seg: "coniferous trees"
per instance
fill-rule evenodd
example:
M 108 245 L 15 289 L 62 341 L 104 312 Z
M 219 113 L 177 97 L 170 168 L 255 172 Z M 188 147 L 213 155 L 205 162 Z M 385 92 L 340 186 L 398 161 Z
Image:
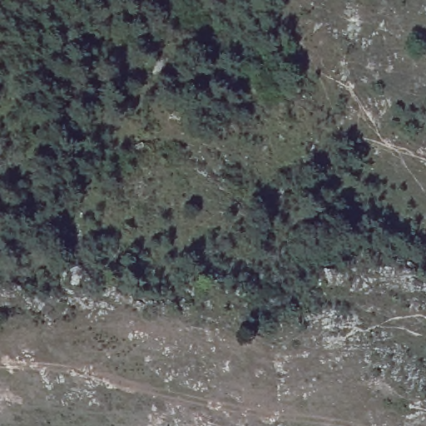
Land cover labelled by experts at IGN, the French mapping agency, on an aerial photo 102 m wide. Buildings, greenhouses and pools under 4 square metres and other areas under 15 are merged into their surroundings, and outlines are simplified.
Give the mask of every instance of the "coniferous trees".
M 8 290 L 13 285 L 22 286 L 25 295 L 42 300 L 47 293 L 50 293 L 50 296 L 58 296 L 67 293 L 67 291 L 63 290 L 62 285 L 50 283 L 60 280 L 63 271 L 73 266 L 80 268 L 78 275 L 83 273 L 95 285 L 105 285 L 106 288 L 115 286 L 116 293 L 133 296 L 135 290 L 150 293 L 170 291 L 173 303 L 180 305 L 181 293 L 190 293 L 191 296 L 203 295 L 211 288 L 211 278 L 215 280 L 233 276 L 231 290 L 235 290 L 236 296 L 243 298 L 251 308 L 251 315 L 241 323 L 236 338 L 238 343 L 250 343 L 255 336 L 263 338 L 265 334 L 278 333 L 278 324 L 290 324 L 293 319 L 298 319 L 301 326 L 308 328 L 306 315 L 319 315 L 323 310 L 331 310 L 331 300 L 323 298 L 323 288 L 318 286 L 319 276 L 331 266 L 338 266 L 341 261 L 353 261 L 361 251 L 368 251 L 374 265 L 379 268 L 393 266 L 394 270 L 409 270 L 413 273 L 423 270 L 426 273 L 426 233 L 423 231 L 421 215 L 399 220 L 393 206 L 376 206 L 374 198 L 369 198 L 369 210 L 363 210 L 361 201 L 356 201 L 356 190 L 346 188 L 341 183 L 341 178 L 336 175 L 315 183 L 313 173 L 316 170 L 321 173 L 328 171 L 331 166 L 329 158 L 326 151 L 315 150 L 311 160 L 301 160 L 295 165 L 280 168 L 268 185 L 260 180 L 256 186 L 243 185 L 241 173 L 223 173 L 223 178 L 230 181 L 226 185 L 226 193 L 235 198 L 230 210 L 225 213 L 226 220 L 230 221 L 233 228 L 226 235 L 225 231 L 220 230 L 220 226 L 215 226 L 211 230 L 206 230 L 200 238 L 191 241 L 191 245 L 185 246 L 183 250 L 170 250 L 170 243 L 175 243 L 176 240 L 175 226 L 155 233 L 153 241 L 146 246 L 143 238 L 136 238 L 128 245 L 121 241 L 121 233 L 116 228 L 103 228 L 102 220 L 95 218 L 93 211 L 78 211 L 75 218 L 68 215 L 70 208 L 77 205 L 78 201 L 85 200 L 87 186 L 92 191 L 100 191 L 102 195 L 110 195 L 110 191 L 116 188 L 116 183 L 128 178 L 133 166 L 143 160 L 146 153 L 145 143 L 135 145 L 133 136 L 118 140 L 115 131 L 118 130 L 116 126 L 120 125 L 121 120 L 130 118 L 131 115 L 140 115 L 140 111 L 151 115 L 151 110 L 168 111 L 171 120 L 180 120 L 183 131 L 188 131 L 191 138 L 218 140 L 218 131 L 225 130 L 225 125 L 231 125 L 231 118 L 236 111 L 253 113 L 256 103 L 255 95 L 251 92 L 250 80 L 241 75 L 241 62 L 253 63 L 256 70 L 275 72 L 275 82 L 295 95 L 298 93 L 296 82 L 300 80 L 300 73 L 308 72 L 310 60 L 308 52 L 301 47 L 301 35 L 296 28 L 296 15 L 283 18 L 283 8 L 290 0 L 196 0 L 203 8 L 206 18 L 211 18 L 211 27 L 205 25 L 193 30 L 181 27 L 180 18 L 171 10 L 170 0 L 0 0 L 0 291 Z

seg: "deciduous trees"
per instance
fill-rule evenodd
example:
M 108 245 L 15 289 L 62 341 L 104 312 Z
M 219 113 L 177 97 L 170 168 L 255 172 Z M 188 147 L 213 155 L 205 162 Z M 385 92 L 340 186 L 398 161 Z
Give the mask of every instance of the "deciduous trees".
M 171 10 L 180 18 L 181 27 L 193 30 L 205 25 L 211 27 L 211 18 L 206 18 L 203 8 L 196 0 L 170 0 Z
M 241 75 L 250 80 L 251 92 L 255 95 L 256 103 L 263 106 L 285 105 L 295 95 L 275 82 L 275 72 L 256 70 L 253 63 L 241 62 Z

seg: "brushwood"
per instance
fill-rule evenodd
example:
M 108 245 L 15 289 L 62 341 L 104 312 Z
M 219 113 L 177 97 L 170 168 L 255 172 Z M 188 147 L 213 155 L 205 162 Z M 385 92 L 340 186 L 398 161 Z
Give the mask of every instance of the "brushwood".
M 50 293 L 47 293 L 42 300 L 45 306 L 40 311 L 25 310 L 22 306 L 0 305 L 0 333 L 3 331 L 10 334 L 22 328 L 32 329 L 35 324 L 52 326 L 52 323 L 73 321 L 77 318 L 80 306 L 68 303 L 67 293 L 58 296 L 50 296 Z
M 105 285 L 95 285 L 83 273 L 78 275 L 80 268 L 73 266 L 63 271 L 60 280 L 50 283 L 62 285 L 63 290 L 67 291 L 73 290 L 72 296 L 75 298 L 92 296 L 93 301 L 103 301 L 106 305 L 116 308 L 118 301 L 103 293 L 106 288 Z
M 414 409 L 409 409 L 406 399 L 384 398 L 384 408 L 393 408 L 399 414 L 414 413 Z
M 356 201 L 361 201 L 363 210 L 369 210 L 369 198 L 374 198 L 376 206 L 393 206 L 399 220 L 421 215 L 416 201 L 409 200 L 408 195 L 404 193 L 408 188 L 406 183 L 393 183 L 374 175 L 371 165 L 374 155 L 373 151 L 369 150 L 368 155 L 358 158 L 353 153 L 353 141 L 339 140 L 338 155 L 329 158 L 331 166 L 328 171 L 321 173 L 316 170 L 313 173 L 315 183 L 336 175 L 341 178 L 341 183 L 346 188 L 356 190 Z
M 150 293 L 135 290 L 133 296 L 133 300 L 136 301 L 140 301 L 143 296 L 146 300 L 153 301 L 151 305 L 143 308 L 145 319 L 178 318 L 181 323 L 191 326 L 220 328 L 220 333 L 225 338 L 236 338 L 241 323 L 251 315 L 251 308 L 243 298 L 236 296 L 235 290 L 231 290 L 233 276 L 215 280 L 211 278 L 211 288 L 203 295 L 191 296 L 190 293 L 181 293 L 180 305 L 173 303 L 170 291 Z
M 409 150 L 418 150 L 421 146 L 426 146 L 426 106 L 409 105 L 401 100 L 393 103 L 391 110 L 381 120 L 381 133 L 384 138 L 393 145 L 406 146 Z

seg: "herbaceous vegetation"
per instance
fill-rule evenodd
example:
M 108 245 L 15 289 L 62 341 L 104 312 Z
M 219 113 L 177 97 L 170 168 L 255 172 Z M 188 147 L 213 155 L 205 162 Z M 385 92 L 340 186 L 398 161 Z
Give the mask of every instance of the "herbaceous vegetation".
M 344 12 L 346 3 L 358 5 L 361 20 L 361 30 L 358 37 L 354 37 L 353 40 L 348 35 L 333 37 L 333 28 L 348 27 L 349 20 Z M 349 98 L 348 90 L 338 85 L 341 78 L 341 60 L 348 63 L 349 78 L 351 83 L 354 83 L 354 92 L 359 98 L 384 95 L 384 98 L 391 98 L 393 103 L 401 100 L 409 105 L 426 106 L 426 0 L 290 0 L 283 8 L 283 18 L 296 15 L 296 28 L 301 35 L 301 47 L 308 52 L 310 60 L 308 72 L 300 73 L 300 80 L 296 82 L 298 93 L 295 95 L 285 105 L 263 106 L 256 103 L 253 113 L 236 111 L 231 118 L 231 125 L 225 125 L 225 130 L 218 131 L 218 140 L 191 138 L 188 131 L 183 131 L 180 120 L 171 120 L 168 111 L 151 110 L 151 115 L 140 111 L 140 115 L 131 115 L 130 118 L 121 120 L 120 125 L 116 126 L 118 130 L 115 131 L 118 140 L 133 136 L 135 145 L 145 143 L 146 153 L 143 160 L 133 166 L 128 178 L 116 183 L 116 188 L 110 191 L 110 195 L 102 195 L 100 191 L 92 191 L 87 186 L 85 200 L 78 201 L 77 205 L 70 208 L 68 215 L 75 218 L 78 211 L 93 211 L 95 218 L 102 220 L 103 228 L 116 228 L 121 233 L 121 241 L 128 245 L 136 238 L 143 238 L 146 246 L 153 241 L 155 233 L 175 226 L 176 240 L 175 243 L 170 243 L 170 250 L 183 250 L 185 246 L 191 245 L 191 241 L 200 238 L 206 230 L 211 230 L 215 226 L 220 226 L 220 230 L 225 231 L 226 235 L 233 228 L 230 221 L 226 220 L 225 213 L 230 210 L 235 198 L 226 193 L 226 185 L 230 181 L 223 178 L 223 173 L 241 173 L 243 185 L 256 186 L 260 180 L 268 185 L 280 168 L 295 165 L 301 160 L 311 160 L 315 150 L 326 151 L 329 158 L 338 155 L 339 140 L 333 138 L 333 131 L 341 128 L 336 121 L 348 113 Z
M 421 215 L 423 231 L 426 233 L 426 165 L 418 158 L 398 155 L 391 150 L 374 155 L 371 165 L 374 175 L 393 183 L 406 183 L 408 188 L 404 193 L 408 195 L 409 200 L 416 201 Z

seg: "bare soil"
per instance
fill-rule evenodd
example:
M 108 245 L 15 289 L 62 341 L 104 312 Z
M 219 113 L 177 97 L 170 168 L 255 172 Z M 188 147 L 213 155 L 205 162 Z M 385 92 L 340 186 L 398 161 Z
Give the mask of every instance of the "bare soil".
M 42 300 L 25 295 L 22 286 L 13 285 L 8 290 L 0 291 L 0 305 L 22 306 L 25 310 L 40 311 L 45 306 Z
M 358 37 L 361 30 L 361 20 L 358 5 L 346 3 L 344 12 L 349 20 L 348 27 L 333 28 L 333 37 L 348 35 L 353 40 L 354 37 Z
M 323 310 L 319 315 L 306 315 L 308 328 L 301 326 L 298 319 L 293 319 L 290 324 L 278 324 L 278 333 L 265 334 L 263 338 L 255 336 L 250 343 L 238 343 L 236 338 L 225 338 L 220 333 L 220 328 L 191 326 L 181 323 L 178 318 L 145 319 L 143 308 L 151 305 L 153 301 L 146 300 L 143 296 L 140 301 L 136 301 L 133 300 L 133 296 L 116 293 L 115 286 L 106 288 L 103 293 L 118 301 L 116 308 L 106 305 L 103 301 L 93 301 L 92 296 L 75 298 L 72 296 L 73 290 L 67 291 L 67 293 L 68 303 L 80 306 L 77 318 L 73 321 L 52 323 L 52 326 L 35 324 L 32 329 L 22 328 L 10 334 L 3 331 L 0 333 L 0 426 L 426 426 L 426 273 L 423 270 L 413 273 L 409 270 L 394 270 L 393 266 L 379 268 L 374 265 L 368 251 L 361 251 L 353 261 L 341 261 L 338 266 L 331 266 L 319 276 L 318 286 L 323 288 L 323 298 L 331 300 L 331 310 Z M 384 408 L 384 398 L 406 399 L 409 409 L 414 409 L 414 413 L 399 414 L 393 408 Z
M 391 110 L 393 103 L 391 98 L 384 98 L 384 95 L 359 98 L 354 92 L 354 83 L 351 83 L 349 78 L 348 63 L 341 60 L 341 78 L 338 85 L 348 90 L 349 98 L 348 113 L 336 121 L 341 128 L 333 131 L 333 138 L 339 140 L 353 141 L 353 153 L 358 158 L 368 155 L 369 150 L 373 151 L 374 155 L 391 150 L 398 155 L 418 158 L 426 165 L 426 146 L 421 146 L 418 150 L 409 150 L 406 146 L 393 145 L 384 138 L 381 133 L 381 120 Z

